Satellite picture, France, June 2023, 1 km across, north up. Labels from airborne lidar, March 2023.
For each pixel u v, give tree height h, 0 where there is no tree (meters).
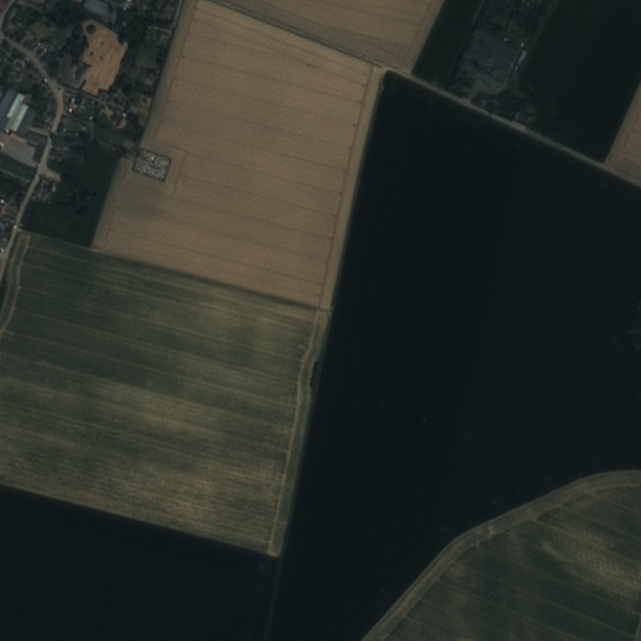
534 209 0
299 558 0
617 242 0
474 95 0
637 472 0
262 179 0
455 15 0
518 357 0
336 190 0
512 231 0
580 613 0
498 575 0
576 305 0
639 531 0
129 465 0
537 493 0
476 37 6
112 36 0
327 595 0
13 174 0
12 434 0
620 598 0
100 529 0
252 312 0
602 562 0
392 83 0
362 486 0
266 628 0
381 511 0
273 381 0
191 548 0
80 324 0
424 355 0
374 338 0
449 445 0
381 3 0
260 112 0
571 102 0
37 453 0
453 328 0
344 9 0
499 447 0
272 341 0
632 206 0
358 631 0
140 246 0
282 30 0
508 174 0
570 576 0
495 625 0
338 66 0
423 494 0
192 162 0
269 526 0
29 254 0
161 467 0
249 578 0
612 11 0
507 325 0
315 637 0
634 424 0
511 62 7
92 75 0
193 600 0
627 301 0
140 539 0
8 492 0
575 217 0
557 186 0
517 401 0
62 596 0
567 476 0
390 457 0
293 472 0
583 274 0
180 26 0
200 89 0
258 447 0
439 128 0
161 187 0
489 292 0
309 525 0
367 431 0
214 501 0
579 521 0
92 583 0
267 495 0
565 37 0
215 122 0
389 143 0
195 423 0
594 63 0
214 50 0
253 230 0
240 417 0
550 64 0
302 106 0
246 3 0
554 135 0
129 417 0
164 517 0
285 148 0
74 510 0
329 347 0
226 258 0
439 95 0
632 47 0
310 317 0
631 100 0
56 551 0
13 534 0
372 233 0
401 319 0
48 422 0
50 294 0
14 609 0
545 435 0
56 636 0
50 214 0
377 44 0
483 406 0
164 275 0
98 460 0
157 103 0
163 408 0
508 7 6
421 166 0
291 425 0
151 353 0
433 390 0
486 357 0
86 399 0
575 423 0
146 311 0
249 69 0
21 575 0
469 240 0
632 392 0
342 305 0
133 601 0
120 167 0
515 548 0
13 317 0
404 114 0
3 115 0
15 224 0
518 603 0
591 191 0
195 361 0
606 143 0
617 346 0
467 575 0
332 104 0
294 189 0
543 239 0
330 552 0
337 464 0
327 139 0
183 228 0
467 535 0
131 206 0
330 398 0
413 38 0
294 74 0
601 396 0
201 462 0
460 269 0
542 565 0
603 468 0
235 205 0
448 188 0
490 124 0
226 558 0
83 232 0
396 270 0
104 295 0
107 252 0
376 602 0
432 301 0
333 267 0
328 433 0
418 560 0
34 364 0
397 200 0
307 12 0
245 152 0
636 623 0
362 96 0
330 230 0
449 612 0
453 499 0
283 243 0
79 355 0
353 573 0
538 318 0
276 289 0
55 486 0
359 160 0
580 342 0
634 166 0
